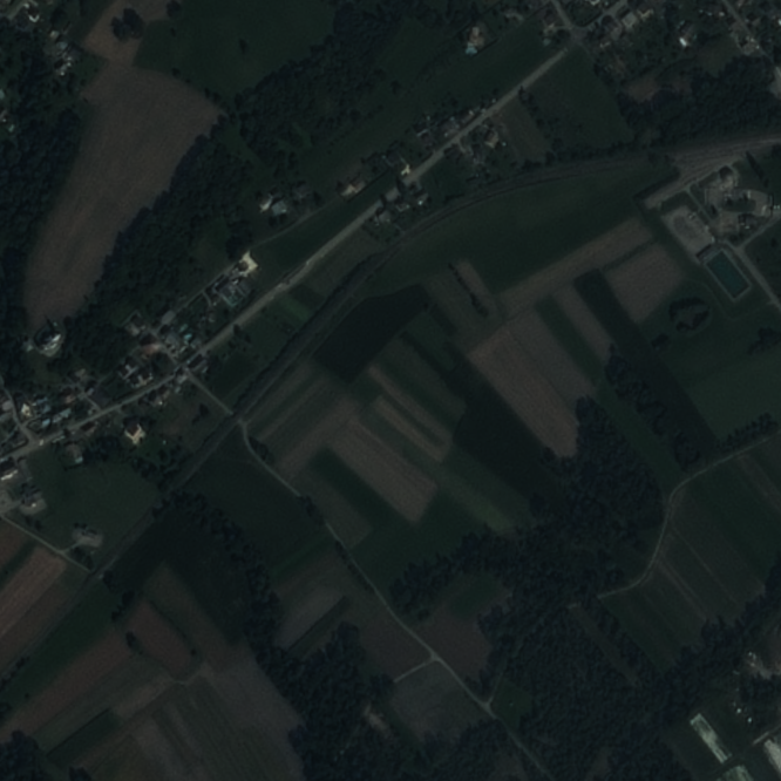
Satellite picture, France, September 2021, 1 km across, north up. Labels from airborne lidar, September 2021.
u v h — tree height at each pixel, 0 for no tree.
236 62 0
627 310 0
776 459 0
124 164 0
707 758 0
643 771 18
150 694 0
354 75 17
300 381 0
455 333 0
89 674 0
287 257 0
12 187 30
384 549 0
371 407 0
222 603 0
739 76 18
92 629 0
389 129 0
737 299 0
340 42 18
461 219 0
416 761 0
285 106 17
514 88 0
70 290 0
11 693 0
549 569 15
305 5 0
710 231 0
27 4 0
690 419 0
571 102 0
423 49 0
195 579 0
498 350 0
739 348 0
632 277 0
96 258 0
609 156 9
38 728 0
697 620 0
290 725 0
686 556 0
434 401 0
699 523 0
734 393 0
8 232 21
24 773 36
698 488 0
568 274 0
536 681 9
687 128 18
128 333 9
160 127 0
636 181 0
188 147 0
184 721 0
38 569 0
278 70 0
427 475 0
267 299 0
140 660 0
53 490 0
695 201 0
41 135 22
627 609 0
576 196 0
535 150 0
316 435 0
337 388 0
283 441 0
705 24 8
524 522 0
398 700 0
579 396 0
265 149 25
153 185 0
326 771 27
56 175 27
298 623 0
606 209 0
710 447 0
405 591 20
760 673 0
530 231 0
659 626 0
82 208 0
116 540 0
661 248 0
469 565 25
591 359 0
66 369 13
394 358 0
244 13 0
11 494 0
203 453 0
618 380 23
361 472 0
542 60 0
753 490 0
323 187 0
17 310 19
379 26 27
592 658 9
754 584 0
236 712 0
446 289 0
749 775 0
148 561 0
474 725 0
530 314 0
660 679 13
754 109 14
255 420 0
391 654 0
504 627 22
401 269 0
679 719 20
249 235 9
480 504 0
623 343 0
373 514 0
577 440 0
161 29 0
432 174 0
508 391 0
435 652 0
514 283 0
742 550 0
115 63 0
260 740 0
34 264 0
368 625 0
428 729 0
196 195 18
